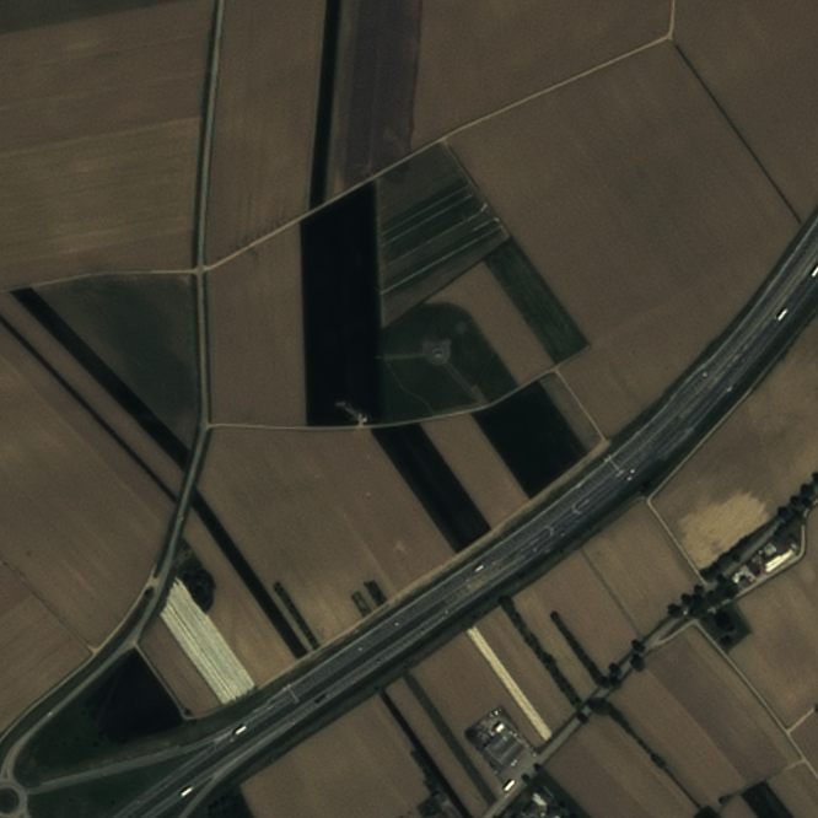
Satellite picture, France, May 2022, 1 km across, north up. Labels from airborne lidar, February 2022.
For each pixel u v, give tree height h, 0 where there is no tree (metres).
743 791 0
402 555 0
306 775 0
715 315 0
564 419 0
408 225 0
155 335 0
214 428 0
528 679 0
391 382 0
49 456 0
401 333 0
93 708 0
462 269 0
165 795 0
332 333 0
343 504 0
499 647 0
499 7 0
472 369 0
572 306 0
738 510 0
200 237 0
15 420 0
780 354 0
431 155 0
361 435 0
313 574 0
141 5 0
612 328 0
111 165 0
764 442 0
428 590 0
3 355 0
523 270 0
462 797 0
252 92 0
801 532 0
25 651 0
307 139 0
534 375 0
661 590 0
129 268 0
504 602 9
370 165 0
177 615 0
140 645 0
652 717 0
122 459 0
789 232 0
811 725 0
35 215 0
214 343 0
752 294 0
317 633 0
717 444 0
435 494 0
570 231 0
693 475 0
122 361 0
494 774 0
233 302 0
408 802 0
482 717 0
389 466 0
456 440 0
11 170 0
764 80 0
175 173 0
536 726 0
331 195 0
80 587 0
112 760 0
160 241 0
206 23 0
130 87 0
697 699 0
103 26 0
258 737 0
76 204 0
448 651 0
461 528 0
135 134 0
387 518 0
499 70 0
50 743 0
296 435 0
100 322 0
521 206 0
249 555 0
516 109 0
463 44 0
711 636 0
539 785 0
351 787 0
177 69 0
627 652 0
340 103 0
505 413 0
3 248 0
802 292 0
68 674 0
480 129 0
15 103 0
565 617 0
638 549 0
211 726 0
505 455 0
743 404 0
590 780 0
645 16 0
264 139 0
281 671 0
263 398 0
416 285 0
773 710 0
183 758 0
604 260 0
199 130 0
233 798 7
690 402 0
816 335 0
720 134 0
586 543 0
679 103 0
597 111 0
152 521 0
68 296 0
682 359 0
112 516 0
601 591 0
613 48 0
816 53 0
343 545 0
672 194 0
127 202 0
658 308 0
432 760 0
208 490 0
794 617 0
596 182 0
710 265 0
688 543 0
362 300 0
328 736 0
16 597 0
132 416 0
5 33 0
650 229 0
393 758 0
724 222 0
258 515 0
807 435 0
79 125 0
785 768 0
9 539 0
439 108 0
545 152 0
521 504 0
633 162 0
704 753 0
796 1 0
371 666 0
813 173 0
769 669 0
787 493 0
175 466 0
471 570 0
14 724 0
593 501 0
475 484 0
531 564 0
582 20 0
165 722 0
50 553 0
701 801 0
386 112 0
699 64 0
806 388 0
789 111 0
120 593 0
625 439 0
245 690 0
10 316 0
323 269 0
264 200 0
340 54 0
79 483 0
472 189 0
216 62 0
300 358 0
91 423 0
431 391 0
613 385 0
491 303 0
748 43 0
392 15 0
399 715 0
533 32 0
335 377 0
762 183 0
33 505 0
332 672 0
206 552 0
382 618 0
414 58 0
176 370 0
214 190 0
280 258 0
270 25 0
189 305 0
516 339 0
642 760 0
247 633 0
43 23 0
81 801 0
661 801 0
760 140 0
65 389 0
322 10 0
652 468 0
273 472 0
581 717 13
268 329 0
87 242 0
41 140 0
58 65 0
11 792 0
